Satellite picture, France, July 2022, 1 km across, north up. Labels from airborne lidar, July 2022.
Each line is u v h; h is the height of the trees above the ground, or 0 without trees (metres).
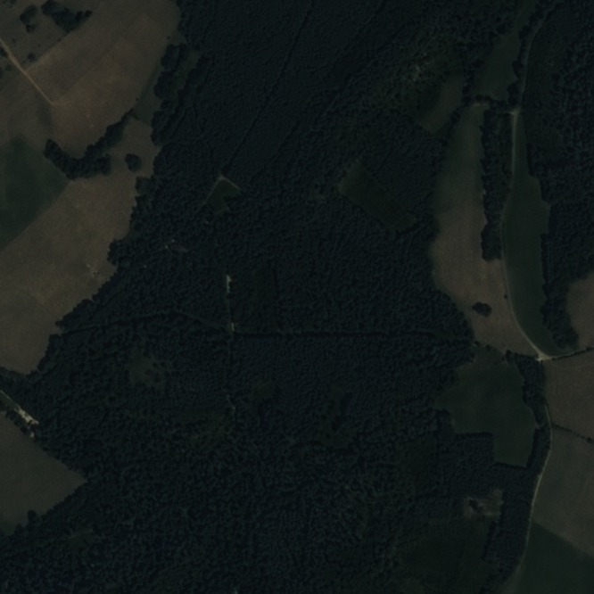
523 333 0
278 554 34
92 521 11
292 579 27
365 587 20
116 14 0
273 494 23
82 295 0
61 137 0
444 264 0
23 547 20
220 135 20
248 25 20
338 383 24
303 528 13
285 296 25
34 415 16
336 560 10
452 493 20
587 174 26
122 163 0
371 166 15
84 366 18
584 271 16
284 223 27
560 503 0
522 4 19
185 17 13
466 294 0
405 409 29
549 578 0
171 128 20
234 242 23
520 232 0
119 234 0
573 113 19
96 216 0
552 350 0
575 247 25
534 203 0
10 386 20
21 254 0
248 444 28
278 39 22
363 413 26
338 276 27
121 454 21
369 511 6
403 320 20
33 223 0
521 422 0
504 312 0
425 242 14
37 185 0
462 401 0
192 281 26
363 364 27
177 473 17
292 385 28
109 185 0
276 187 22
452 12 17
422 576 7
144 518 10
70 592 34
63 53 0
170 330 19
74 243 0
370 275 25
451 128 9
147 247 17
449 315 29
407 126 30
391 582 22
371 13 21
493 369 0
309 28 20
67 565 12
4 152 0
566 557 0
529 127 6
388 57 26
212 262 22
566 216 26
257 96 17
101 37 0
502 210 20
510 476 23
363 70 27
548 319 28
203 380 25
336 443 6
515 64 0
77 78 0
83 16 12
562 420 0
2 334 0
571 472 0
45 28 0
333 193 19
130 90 0
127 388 8
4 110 0
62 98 0
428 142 30
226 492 31
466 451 23
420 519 37
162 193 15
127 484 17
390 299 25
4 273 0
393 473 22
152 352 17
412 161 13
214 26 24
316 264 30
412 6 17
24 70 0
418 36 25
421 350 32
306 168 20
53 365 19
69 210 0
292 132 13
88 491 12
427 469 22
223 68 21
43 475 0
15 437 0
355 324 26
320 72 20
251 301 15
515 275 0
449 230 0
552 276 20
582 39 25
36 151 0
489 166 26
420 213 18
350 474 26
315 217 18
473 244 0
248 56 22
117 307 21
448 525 6
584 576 0
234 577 28
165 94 23
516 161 0
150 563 13
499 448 0
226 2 23
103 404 8
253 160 24
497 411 0
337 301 21
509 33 25
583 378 0
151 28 0
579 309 0
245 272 19
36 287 0
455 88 0
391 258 24
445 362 28
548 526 0
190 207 22
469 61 16
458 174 0
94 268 0
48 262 0
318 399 26
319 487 21
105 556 30
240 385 25
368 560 8
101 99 0
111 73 0
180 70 21
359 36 15
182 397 18
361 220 28
